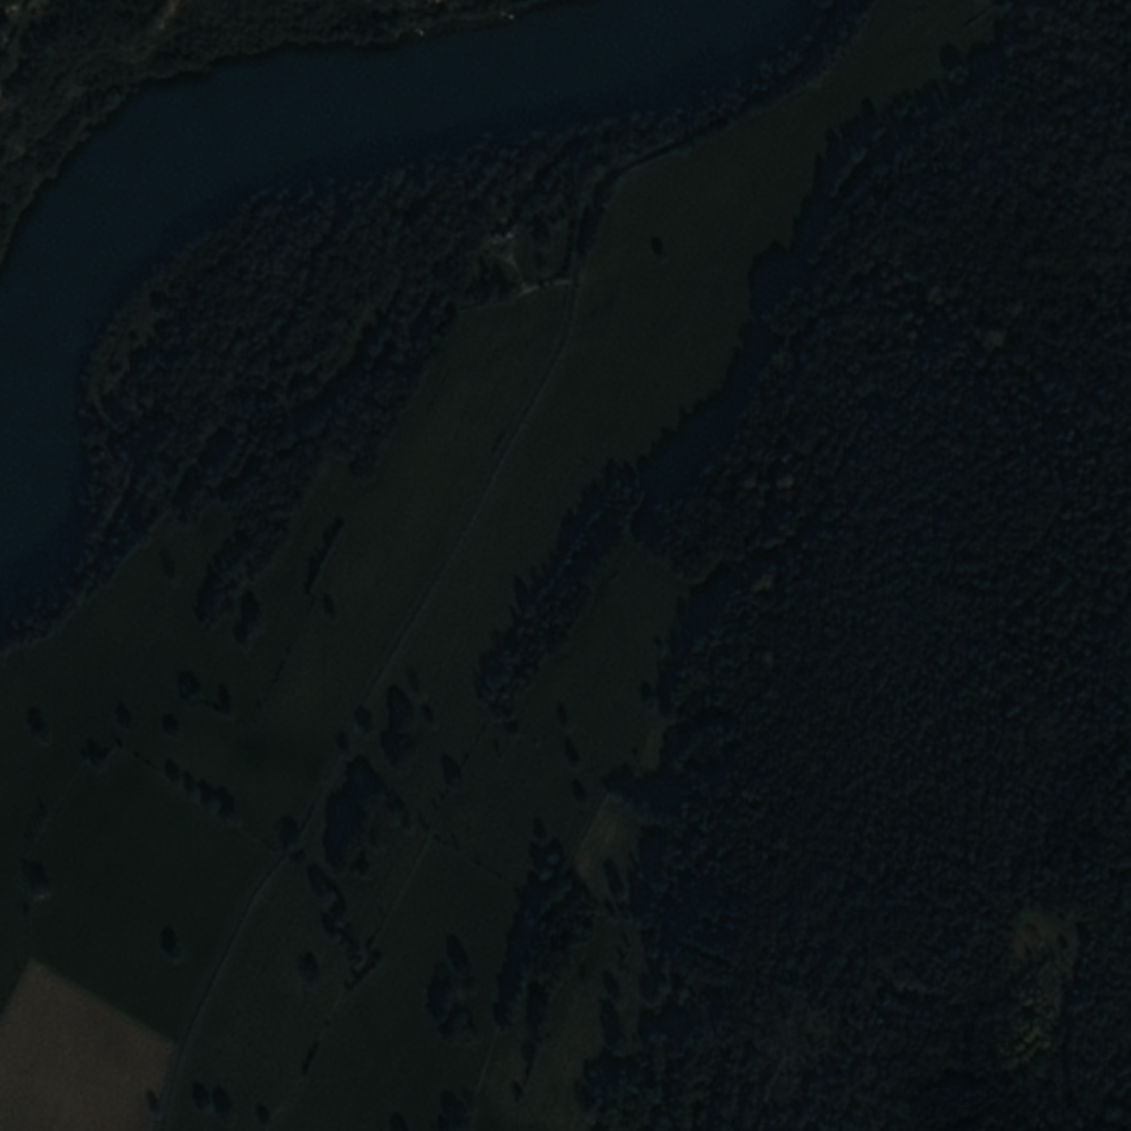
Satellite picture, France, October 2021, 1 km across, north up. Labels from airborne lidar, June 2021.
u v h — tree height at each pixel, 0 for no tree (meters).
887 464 12
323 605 0
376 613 0
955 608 13
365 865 13
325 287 12
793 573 22
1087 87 12
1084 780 21
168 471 20
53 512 0
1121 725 25
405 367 7
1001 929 7
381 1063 0
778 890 12
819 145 0
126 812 0
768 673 17
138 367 11
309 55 0
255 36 13
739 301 0
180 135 0
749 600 26
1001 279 16
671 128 24
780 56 26
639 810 18
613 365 0
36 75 17
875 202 17
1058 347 15
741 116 18
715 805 24
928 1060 21
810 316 23
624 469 0
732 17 0
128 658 0
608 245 0
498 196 8
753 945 18
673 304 0
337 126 0
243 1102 0
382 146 0
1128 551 14
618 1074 13
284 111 0
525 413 0
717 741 20
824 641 16
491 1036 0
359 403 17
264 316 7
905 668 9
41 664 0
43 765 0
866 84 0
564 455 0
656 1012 7
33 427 0
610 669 0
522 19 0
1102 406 13
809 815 16
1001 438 12
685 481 16
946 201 17
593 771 0
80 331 0
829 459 15
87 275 0
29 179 17
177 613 0
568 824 0
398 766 17
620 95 0
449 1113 0
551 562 0
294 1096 0
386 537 0
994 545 13
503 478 0
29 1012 0
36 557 0
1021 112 20
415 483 0
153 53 11
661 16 0
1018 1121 27
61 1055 0
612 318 0
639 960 0
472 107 0
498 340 0
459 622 0
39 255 0
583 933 24
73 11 12
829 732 15
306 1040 0
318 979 12
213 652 0
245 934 0
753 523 23
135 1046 0
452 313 11
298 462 15
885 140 0
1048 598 15
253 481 16
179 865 0
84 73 6
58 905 0
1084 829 13
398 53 0
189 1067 0
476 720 0
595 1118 18
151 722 0
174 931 0
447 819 0
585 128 19
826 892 12
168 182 0
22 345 0
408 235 11
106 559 12
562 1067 0
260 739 0
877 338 15
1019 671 12
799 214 0
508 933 0
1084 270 15
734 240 0
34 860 0
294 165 0
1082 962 7
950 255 15
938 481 12
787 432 18
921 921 14
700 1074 13
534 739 0
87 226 0
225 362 15
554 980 19
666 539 21
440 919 0
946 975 17
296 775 0
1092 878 22
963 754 7
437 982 0
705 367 0
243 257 10
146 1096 0
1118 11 20
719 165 0
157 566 0
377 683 0
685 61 0
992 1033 23
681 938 28
